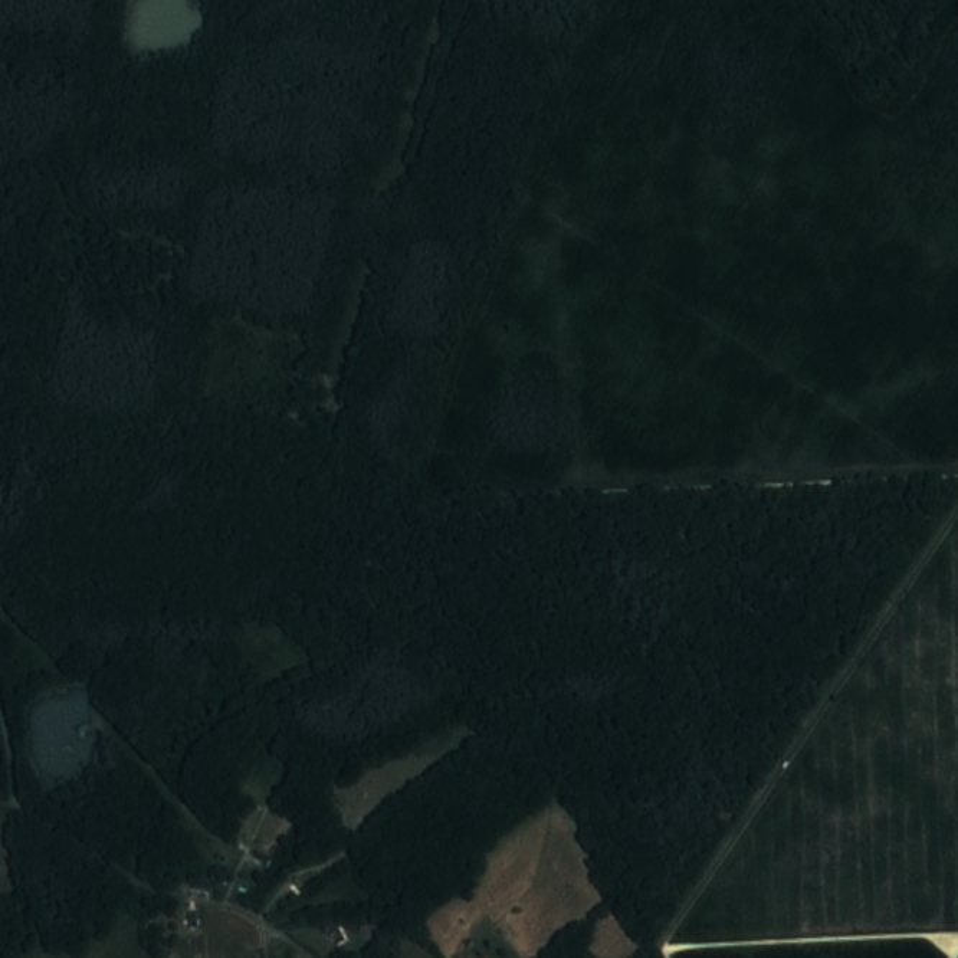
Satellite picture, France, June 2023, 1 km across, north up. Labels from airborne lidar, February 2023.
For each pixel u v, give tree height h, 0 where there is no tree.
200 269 28
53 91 30
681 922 0
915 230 0
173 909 10
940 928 0
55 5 30
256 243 28
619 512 23
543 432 11
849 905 0
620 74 7
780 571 22
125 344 31
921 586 0
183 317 20
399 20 25
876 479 17
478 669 25
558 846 0
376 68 27
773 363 0
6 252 21
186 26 0
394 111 17
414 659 28
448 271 25
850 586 23
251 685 21
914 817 0
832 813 0
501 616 27
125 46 17
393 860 29
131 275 22
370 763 21
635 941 18
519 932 0
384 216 25
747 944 0
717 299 5
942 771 0
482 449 8
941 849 0
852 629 24
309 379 19
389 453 23
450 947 0
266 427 17
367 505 19
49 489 14
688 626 23
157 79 19
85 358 26
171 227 22
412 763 0
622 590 28
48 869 21
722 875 0
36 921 19
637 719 25
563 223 0
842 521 19
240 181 24
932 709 0
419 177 23
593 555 24
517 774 20
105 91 20
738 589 19
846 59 6
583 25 24
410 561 18
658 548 24
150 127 17
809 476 0
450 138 17
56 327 19
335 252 26
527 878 0
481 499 30
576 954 25
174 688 26
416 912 22
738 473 0
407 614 21
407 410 24
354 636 11
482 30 25
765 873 0
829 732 0
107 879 18
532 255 0
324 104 28
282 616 26
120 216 22
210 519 24
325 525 23
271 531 27
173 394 20
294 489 23
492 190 17
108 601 22
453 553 31
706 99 7
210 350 20
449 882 25
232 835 22
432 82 16
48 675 19
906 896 0
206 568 25
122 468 26
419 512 23
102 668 22
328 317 24
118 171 23
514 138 17
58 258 24
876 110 6
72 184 21
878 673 0
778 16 9
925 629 0
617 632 17
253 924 0
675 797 23
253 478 25
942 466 0
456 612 27
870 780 0
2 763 20
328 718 29
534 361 6
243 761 23
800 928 0
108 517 26
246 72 28
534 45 24
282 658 0
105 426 24
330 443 11
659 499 26
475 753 25
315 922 20
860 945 8
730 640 26
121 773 23
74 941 23
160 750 25
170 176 30
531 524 30
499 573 32
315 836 22
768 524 17
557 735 19
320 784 25
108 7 19
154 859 14
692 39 8
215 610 26
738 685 30
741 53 10
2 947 15
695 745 25
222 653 27
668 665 17
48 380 21
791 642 29
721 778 22
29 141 27
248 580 25
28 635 21
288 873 13
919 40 25
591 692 27
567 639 22
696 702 27
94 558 25
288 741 23
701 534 28
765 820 0
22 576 25
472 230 22
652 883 24
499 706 24
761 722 24
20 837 23
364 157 25
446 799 24
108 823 18
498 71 24
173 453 27
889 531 21
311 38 21
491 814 24
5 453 25
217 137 27
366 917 17
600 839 21
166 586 23
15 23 27
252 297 27
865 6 24
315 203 31
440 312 23
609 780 24
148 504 27
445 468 6
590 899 0
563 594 19
